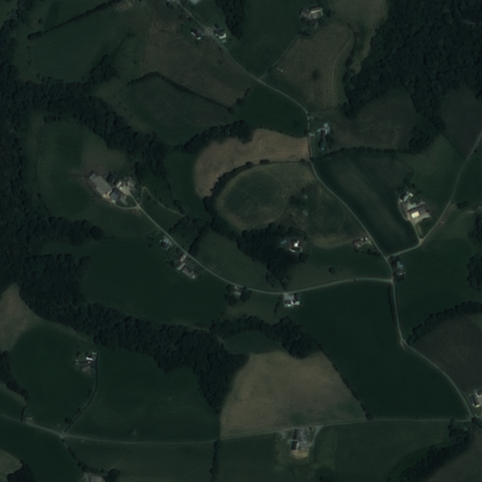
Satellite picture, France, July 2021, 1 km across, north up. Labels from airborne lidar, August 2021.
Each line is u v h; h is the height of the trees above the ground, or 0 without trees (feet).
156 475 0
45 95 96
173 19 0
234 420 0
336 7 0
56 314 46
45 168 0
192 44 0
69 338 0
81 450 0
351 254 0
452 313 73
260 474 0
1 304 0
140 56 0
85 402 0
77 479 0
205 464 0
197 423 0
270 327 72
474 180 0
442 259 0
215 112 0
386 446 0
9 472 0
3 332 0
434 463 62
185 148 41
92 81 35
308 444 0
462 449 33
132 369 0
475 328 0
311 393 0
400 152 25
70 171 0
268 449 0
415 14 54
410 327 0
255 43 0
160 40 0
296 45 0
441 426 0
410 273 0
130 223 0
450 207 0
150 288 0
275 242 41
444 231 0
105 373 0
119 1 32
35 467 0
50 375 0
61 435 0
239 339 0
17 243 62
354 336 0
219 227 81
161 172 40
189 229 32
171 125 0
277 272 70
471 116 0
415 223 0
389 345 0
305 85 0
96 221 0
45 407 0
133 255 0
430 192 0
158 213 0
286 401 0
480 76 76
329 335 0
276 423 0
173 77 0
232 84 0
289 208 0
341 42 0
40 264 80
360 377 0
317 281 0
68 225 82
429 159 0
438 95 65
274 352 0
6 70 97
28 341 0
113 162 0
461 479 0
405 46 27
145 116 0
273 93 0
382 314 0
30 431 0
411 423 0
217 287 0
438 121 74
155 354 60
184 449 0
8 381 36
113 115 80
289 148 0
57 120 41
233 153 0
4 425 0
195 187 0
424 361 0
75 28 0
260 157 0
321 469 0
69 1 0
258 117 0
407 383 0
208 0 0
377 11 0
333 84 0
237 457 0
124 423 0
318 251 0
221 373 70
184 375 0
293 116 0
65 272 56
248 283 0
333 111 0
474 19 59
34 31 0
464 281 0
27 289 57
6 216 86
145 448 0
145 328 88
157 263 0
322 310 0
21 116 84
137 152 50
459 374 0
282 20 0
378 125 0
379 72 107
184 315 0
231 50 0
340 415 0
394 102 0
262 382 0
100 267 0
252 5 0
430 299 0
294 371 0
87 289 0
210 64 0
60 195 0
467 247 0
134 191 0
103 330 79
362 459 0
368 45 0
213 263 0
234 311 0
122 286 0
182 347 94
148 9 0
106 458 0
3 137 84
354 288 0
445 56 78
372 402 0
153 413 0
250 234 62
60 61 0
